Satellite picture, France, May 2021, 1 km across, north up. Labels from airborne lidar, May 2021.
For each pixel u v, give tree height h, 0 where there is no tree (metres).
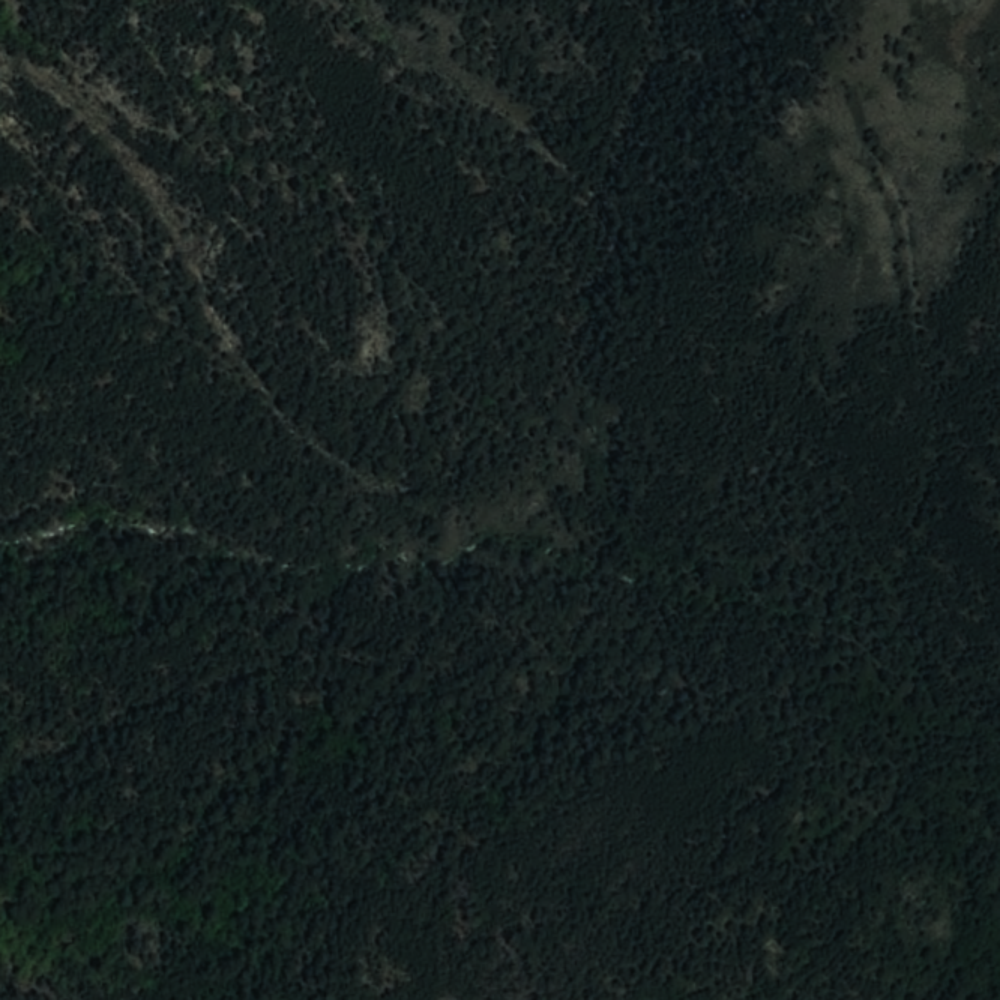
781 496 9
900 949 14
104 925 15
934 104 0
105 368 15
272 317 20
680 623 27
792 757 20
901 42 15
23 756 11
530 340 30
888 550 19
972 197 0
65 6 31
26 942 10
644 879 16
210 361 18
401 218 19
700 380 14
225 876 14
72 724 29
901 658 21
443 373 13
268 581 35
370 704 30
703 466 18
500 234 17
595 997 24
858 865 19
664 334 15
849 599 30
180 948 21
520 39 10
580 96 15
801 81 19
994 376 13
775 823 27
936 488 15
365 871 23
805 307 13
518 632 24
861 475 14
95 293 15
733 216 14
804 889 19
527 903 19
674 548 31
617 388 14
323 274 25
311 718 18
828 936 21
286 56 14
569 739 40
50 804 15
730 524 13
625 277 12
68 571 34
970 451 12
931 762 17
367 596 16
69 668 15
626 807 18
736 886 25
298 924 27
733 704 26
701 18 18
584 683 32
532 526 17
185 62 22
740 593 16
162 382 18
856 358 13
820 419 15
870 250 0
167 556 31
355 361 18
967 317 18
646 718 33
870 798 13
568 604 30
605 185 17
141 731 22
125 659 23
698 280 15
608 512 23
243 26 14
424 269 30
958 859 19
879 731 15
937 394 12
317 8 11
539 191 26
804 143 0
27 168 15
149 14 25
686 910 18
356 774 29
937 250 0
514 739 33
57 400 14
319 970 28
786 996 17
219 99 27
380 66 18
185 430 21
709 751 19
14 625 23
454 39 16
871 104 0
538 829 16
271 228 23
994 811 25
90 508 15
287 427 22
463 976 19
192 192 13
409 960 18
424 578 14
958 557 18
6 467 19
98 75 13
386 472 26
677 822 17
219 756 20
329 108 16
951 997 23
